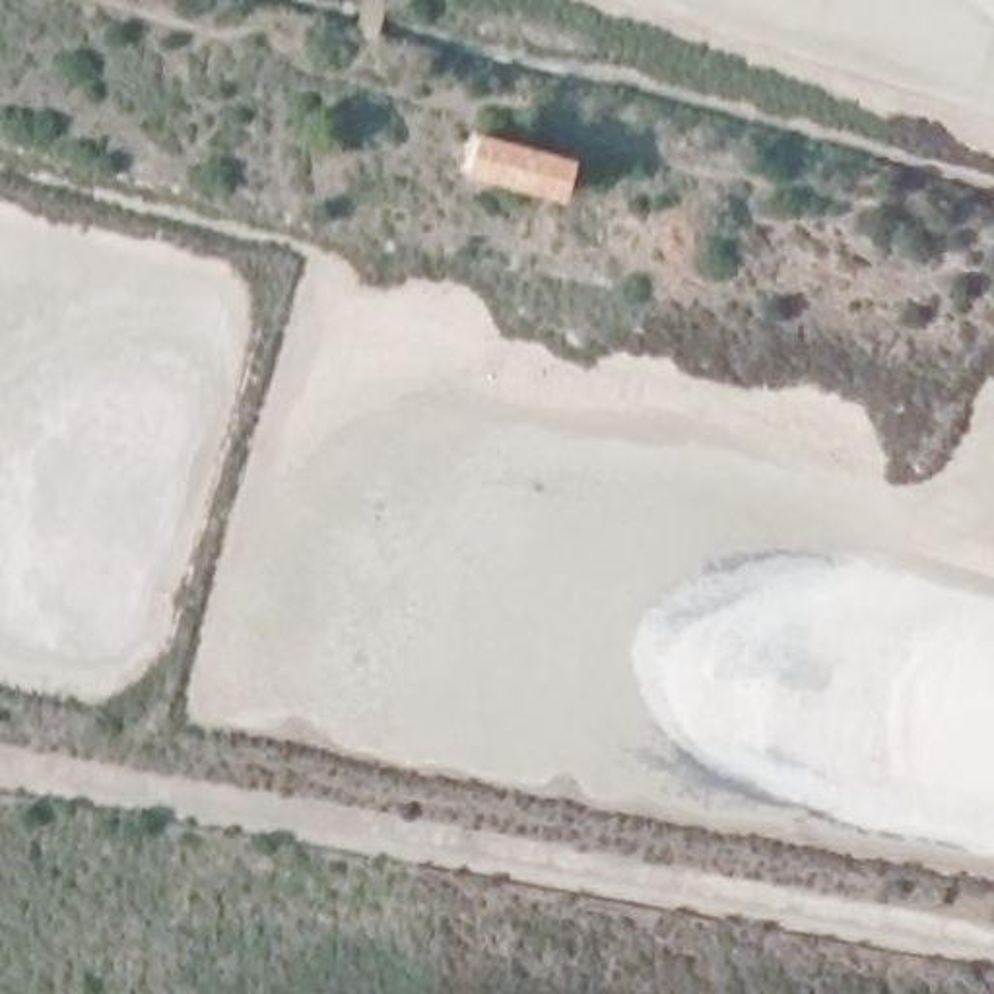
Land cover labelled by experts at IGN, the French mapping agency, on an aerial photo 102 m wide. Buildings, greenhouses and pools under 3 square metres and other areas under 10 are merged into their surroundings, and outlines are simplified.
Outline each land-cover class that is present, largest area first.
<instances>
[{"label":"pervious surface","instance_id":"1","mask_svg":"<svg viewBox=\"0 0 994 994\"><path fill-rule=\"evenodd\" d=\"M85 12L105 8L120 19H144L167 31H186L198 43H241L252 35H268L272 50L287 58L303 54L307 47L311 19L268 8L241 16L233 0H78ZM342 12L361 19V39L369 43L381 31L384 16V0H346ZM602 8L606 16L641 19L687 43H707L714 50L738 54L749 66L812 82L878 116L936 120L959 144L994 155V0H582ZM497 62L536 66L547 74L625 82L660 97L722 109L769 128L846 144L905 167H924L944 179L994 190V175L947 163L940 155L909 151L850 128L819 124L812 116L769 113L753 101L703 93L691 85L652 78L637 66L606 62L536 58L513 47H493L485 54ZM97 202H113L136 214L175 217L241 241H268V229H252L233 217H210L167 202H144L109 186H93V194ZM252 318L249 287L229 260L198 256L155 237L47 221L12 202H0V683L105 703L109 695L136 683L159 652L171 648V637L179 629L175 594L182 579L194 575V547L206 532L210 497L221 481L229 439L237 427V400L249 384ZM299 252L307 260V272L295 291L276 377L229 513V532L217 559V579L190 672L186 711L198 726L252 730L287 742L330 746L400 769L478 777L489 784L524 788L540 796H571L594 808L660 815L714 831H757L784 843L846 850L858 858L924 862L944 874H963L971 854L963 850V843L839 819L835 812L777 796L738 773H726L703 761L691 746L676 742L641 695V679L633 672V637L641 625L679 633L699 617L722 613L753 598L757 590L777 586L784 571H831L854 559H866L881 571L920 575L940 586H959L994 598V381L978 388L971 431L959 447L932 481L916 485L889 481L885 450L862 404L823 392L815 384L734 388L722 381L687 377L672 357L641 353H610L598 365H575L555 357L540 342L505 338L493 326V315L481 303V295H474L462 283L408 280L400 287H369L342 256L303 241ZM0 788H27L39 796H85L109 808H171L175 815H190L198 823L291 831L295 839L315 846L388 854L404 862L466 866L481 874H509L520 881L590 889L606 897L652 901L672 909L687 905L718 916L777 920L800 932H827L905 951L994 963V924L955 920L947 909L920 912L909 905L846 901L769 881L722 878L687 866H648L606 850L582 854L567 843H540L497 831H462L454 823L381 815L315 796H280L214 780L124 769L109 761H82L66 753H31L19 746H0Z\"/></svg>","mask_w":994,"mask_h":994},{"label":"brushwood","instance_id":"2","mask_svg":"<svg viewBox=\"0 0 994 994\"><path fill-rule=\"evenodd\" d=\"M241 16L268 8L311 19L307 47L322 50L330 66H349L361 50V19L342 12L346 0H233ZM423 19H443V12L458 8H478L489 16H528L536 23L590 39L606 62L637 66L652 78L691 85L703 93L753 101L769 113L812 116L819 124L850 128L909 151L940 155L947 163L994 175V155L959 144L936 120L878 116L812 82L749 66L738 54L714 50L707 43H687L641 19L606 16L602 8L582 0H412ZM381 31L388 43L419 47L439 78H454L474 97L513 93L516 82H528L536 97V116L528 124L513 120L501 140L575 159V179L582 186L610 190L617 179L656 175V167L664 163L656 151V136L621 124L625 105L656 109L676 124L679 136L691 128H707L718 151L742 140L753 148L757 159L777 163L780 175L812 171L819 179H843L850 190H858V182L870 175L885 179L893 186L885 202L858 194L854 206L839 217H773L769 249L746 256L730 280H718L726 307L714 311L699 303L660 299L656 291L648 303H633L621 287H594L555 276L520 280L516 272H509V252L493 249L485 237H470L450 256L408 245L396 225L435 198L412 175H384V148L377 140L346 151L353 159V175H346L342 194L357 206L349 217L334 221L322 206L330 198L318 186L311 194H299L303 214L295 217L291 233L303 241L342 256L369 287H400L408 280L462 283L474 295H481V303L493 315V326L505 338L540 342L555 357L575 365H598L610 353H641L672 357L687 377L722 381L734 388L815 384L823 392L862 404L885 450L901 443L916 454L920 439L932 431L936 404H955L947 439L959 447L971 431L978 388L994 381V295H986V276H963L967 260L959 249L978 241L971 217L994 225V190L944 179L924 167H905L846 144L769 128L722 109L660 97L625 82L547 74L536 66L497 62L485 54L412 31L384 16ZM58 70L93 101H105V62L89 47L58 54ZM334 105L318 93H307L303 105L287 113V128L295 148L322 163L330 151H338L330 136ZM0 136L47 148L58 159H93L105 175L128 171L132 155L109 148V140L74 136L70 116L58 109L0 105ZM19 155L12 151H4L0 159V202H12L47 221L155 237L198 256L229 260L249 287L252 318L249 384L237 400V427L229 439L221 481L210 497L206 532L194 547V575L182 579L175 594L179 629L171 637V648L159 652L136 683L109 695L105 703L0 683V746H19L31 753H66L82 761H109L124 769L214 780L280 796H315L381 815L454 823L462 831H497L540 843H567L582 854L606 850L648 866H687L722 878L769 881L846 901L909 905L920 912L947 909L959 897L994 901V881L963 874H944L924 862L858 858L846 850L784 843L757 831H714L660 815L594 808L571 796H540L524 788L489 784L478 777L400 769L330 746L287 742L252 730L198 726L186 711L190 672L217 579V559L229 532V513L276 377L295 291L307 272V260L299 252L268 241H241L175 217L136 214L113 202H97L93 194L47 186L19 175ZM190 186L217 198L225 190L245 186L241 159H206L190 171ZM0 994H994V963L905 951L827 932H800L777 920L718 916L687 905L672 909L652 901L606 897L590 889L520 881L509 874H481L466 866L404 862L388 854L315 846L295 839L291 831L198 823L190 815H175L171 808H109L85 796H39L27 788H0Z\"/></svg>","mask_w":994,"mask_h":994},{"label":"herbaceous vegetation","instance_id":"3","mask_svg":"<svg viewBox=\"0 0 994 994\"><path fill-rule=\"evenodd\" d=\"M89 47L105 62V101H93L58 70V54ZM307 93H318L334 105L330 136L338 151H330L322 163L295 148L287 128V113L303 105ZM0 105L58 109L70 116L74 136L109 140V148L132 155L128 171L105 175L93 159H58L47 148L0 136V159L4 151H12L19 155V175L47 186L93 194V186H109L144 202H167L210 217H233L252 229H268V241L299 252L303 241L291 233L295 217L303 214L299 194H311L318 186L330 198L322 206L334 221L349 217L357 206L342 194L346 175H353V159L346 151L377 140L384 148V175H412L435 198L396 225L408 245L450 256L470 237H485L493 249L509 252V272H516L520 280L555 276L594 287H621L633 303H648L656 291L660 299L699 303L714 311L726 307L718 280H730L746 256L769 249L773 217H839L854 206L858 194L885 202L893 186L885 179L870 175L858 182V190H850L843 179H819L812 171L780 175L777 163L757 159L753 148L742 140L718 151L707 128H691L679 136L676 124L656 109L625 105L621 124L656 136V151L664 163L656 167V175L617 179L610 190L582 186L575 179L567 202L497 186L481 190L462 175L466 140H501L513 120L528 124L536 116V97L528 82H516L513 93L474 97L454 78H439L419 47L388 43L381 31L369 43L361 39V50L349 66H330L322 50L307 47L303 54L287 58L272 50L268 35H252L241 43H198L186 31H167L144 19H120L105 8L85 12L78 0H0ZM206 159H241L245 186L225 190L217 198L190 186V171ZM384 16L412 31L485 54L493 47H513L536 58L606 62L590 39L536 23L528 16H489L478 8H458L443 12V19H423L412 0H384ZM978 241L959 249L967 260L963 276H986V295H994V225L971 217ZM955 404H936L932 431L920 439L916 454L901 443L885 450L889 481L916 485L932 481L959 447L947 439ZM955 920L994 924V901L959 897L947 909Z\"/></svg>","mask_w":994,"mask_h":994},{"label":"water","instance_id":"4","mask_svg":"<svg viewBox=\"0 0 994 994\"><path fill-rule=\"evenodd\" d=\"M633 672L641 679V695L676 742L691 746L703 761L726 773H738L777 796L835 812L839 819L963 843V850L971 854L963 874L994 881V598L959 586H940L920 575L881 571L866 559H854L831 571H784L777 586L757 590L753 598L722 613L699 617L679 633L641 625L633 637Z\"/></svg>","mask_w":994,"mask_h":994},{"label":"building","instance_id":"5","mask_svg":"<svg viewBox=\"0 0 994 994\"><path fill-rule=\"evenodd\" d=\"M462 175L481 190L497 186L567 202L575 179V159L501 140H466Z\"/></svg>","mask_w":994,"mask_h":994}]
</instances>
